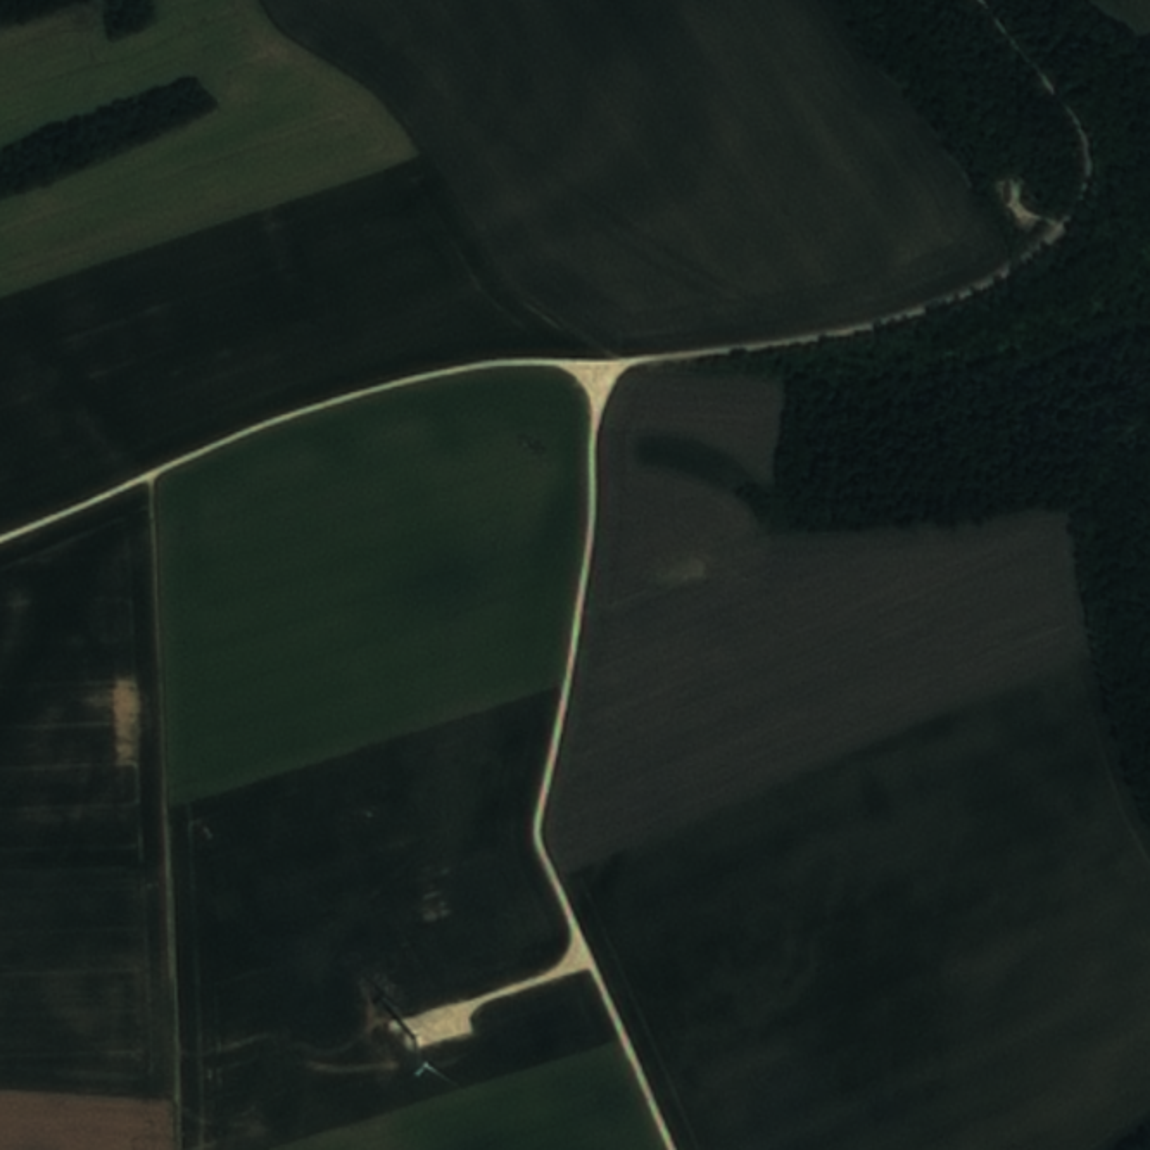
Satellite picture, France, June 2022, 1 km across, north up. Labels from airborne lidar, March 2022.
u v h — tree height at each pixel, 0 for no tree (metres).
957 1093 0
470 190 0
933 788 0
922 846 0
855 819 0
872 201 0
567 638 0
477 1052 0
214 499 0
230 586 0
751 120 0
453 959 0
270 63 0
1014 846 0
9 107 0
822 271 0
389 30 0
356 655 0
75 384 0
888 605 0
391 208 0
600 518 0
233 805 0
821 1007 0
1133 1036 0
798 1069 0
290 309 0
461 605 0
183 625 0
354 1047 0
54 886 0
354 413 0
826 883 0
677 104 0
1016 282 19
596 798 0
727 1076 0
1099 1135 0
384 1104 0
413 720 0
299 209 0
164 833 0
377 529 0
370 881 0
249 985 0
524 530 0
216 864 0
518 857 0
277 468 0
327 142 0
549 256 0
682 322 0
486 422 0
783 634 0
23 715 0
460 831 0
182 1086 0
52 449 0
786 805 0
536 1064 0
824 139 0
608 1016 0
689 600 0
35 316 0
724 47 0
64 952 0
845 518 12
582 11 0
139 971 0
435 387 0
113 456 0
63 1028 0
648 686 0
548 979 0
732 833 0
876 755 0
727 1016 0
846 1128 0
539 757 0
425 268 0
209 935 0
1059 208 7
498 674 0
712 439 0
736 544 0
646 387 0
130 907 0
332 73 0
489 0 0
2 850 0
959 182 0
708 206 0
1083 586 6
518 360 0
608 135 0
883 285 0
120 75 0
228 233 0
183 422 0
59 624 0
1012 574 0
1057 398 14
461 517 0
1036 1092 0
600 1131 0
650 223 0
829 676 0
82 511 0
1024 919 0
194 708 0
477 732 0
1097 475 19
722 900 0
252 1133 0
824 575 0
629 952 0
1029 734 0
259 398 0
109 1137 0
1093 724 0
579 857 0
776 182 0
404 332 0
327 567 0
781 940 0
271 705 0
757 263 0
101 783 0
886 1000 0
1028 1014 0
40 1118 0
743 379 0
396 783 0
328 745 0
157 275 0
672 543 0
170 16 0
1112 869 0
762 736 0
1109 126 12
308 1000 0
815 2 0
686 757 0
